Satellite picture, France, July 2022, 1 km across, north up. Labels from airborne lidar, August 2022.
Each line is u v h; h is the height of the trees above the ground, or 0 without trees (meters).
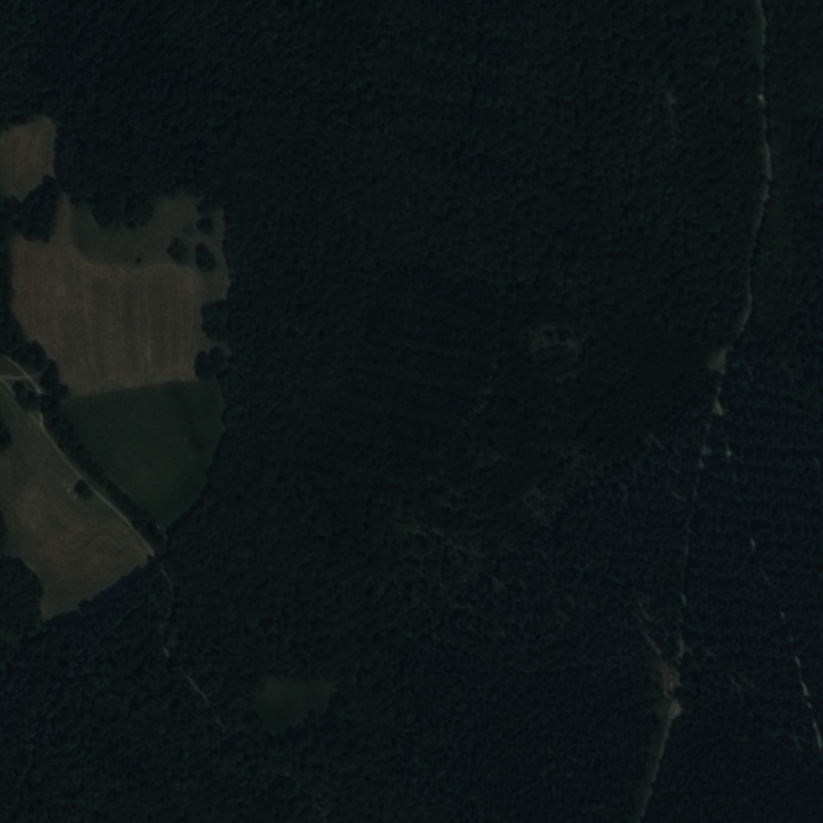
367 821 21
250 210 18
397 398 17
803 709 32
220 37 20
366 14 19
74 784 17
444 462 12
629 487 32
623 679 18
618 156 22
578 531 22
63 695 22
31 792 19
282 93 15
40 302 0
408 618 7
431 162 22
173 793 20
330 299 21
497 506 9
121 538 0
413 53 18
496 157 21
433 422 18
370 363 14
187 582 16
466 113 17
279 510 19
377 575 23
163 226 0
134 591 25
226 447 13
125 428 0
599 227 21
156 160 20
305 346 17
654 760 0
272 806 15
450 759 16
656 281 22
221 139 22
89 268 0
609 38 20
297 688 0
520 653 21
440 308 14
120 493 12
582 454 11
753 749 16
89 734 16
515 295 16
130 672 14
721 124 17
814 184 32
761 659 30
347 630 21
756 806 18
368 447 19
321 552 17
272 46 21
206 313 15
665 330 14
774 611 7
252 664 20
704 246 17
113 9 20
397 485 21
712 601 31
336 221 20
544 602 16
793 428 24
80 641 27
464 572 9
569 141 23
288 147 22
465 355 15
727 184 15
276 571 20
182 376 0
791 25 20
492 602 29
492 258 20
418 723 16
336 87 14
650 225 24
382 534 21
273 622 20
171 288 0
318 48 19
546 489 9
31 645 24
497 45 22
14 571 22
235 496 21
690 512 17
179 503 0
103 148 22
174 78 14
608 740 19
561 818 14
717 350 9
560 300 8
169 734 22
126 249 0
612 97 24
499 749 17
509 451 9
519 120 22
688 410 11
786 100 19
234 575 21
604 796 15
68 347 0
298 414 19
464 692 12
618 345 13
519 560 21
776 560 29
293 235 20
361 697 24
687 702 14
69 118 22
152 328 0
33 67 24
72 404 0
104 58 20
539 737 16
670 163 19
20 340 16
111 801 20
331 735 20
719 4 21
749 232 16
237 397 12
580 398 9
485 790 12
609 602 17
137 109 21
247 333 16
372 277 18
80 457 15
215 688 20
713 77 16
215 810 16
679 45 22
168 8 20
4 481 0
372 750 22
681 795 18
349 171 21
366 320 16
